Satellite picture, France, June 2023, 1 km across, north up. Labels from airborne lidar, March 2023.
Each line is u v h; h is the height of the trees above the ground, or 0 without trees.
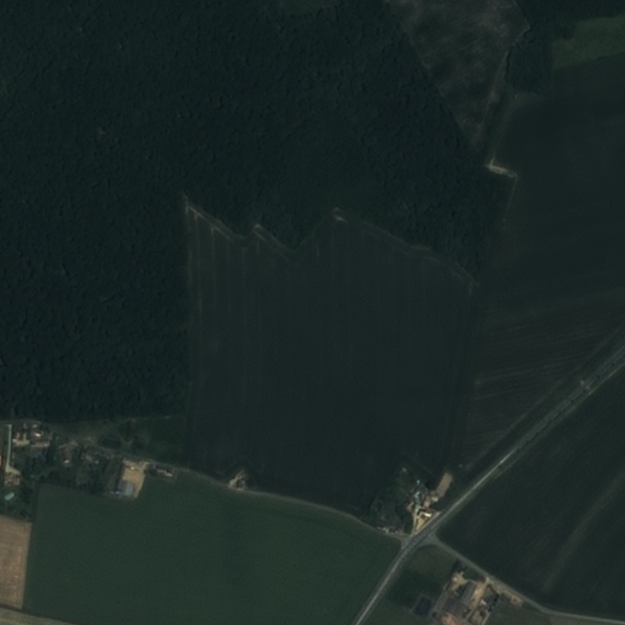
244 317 0
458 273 0
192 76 25
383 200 14
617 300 0
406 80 23
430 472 0
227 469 0
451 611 0
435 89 24
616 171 0
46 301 26
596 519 0
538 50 21
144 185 25
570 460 0
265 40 24
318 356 0
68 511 0
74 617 0
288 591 0
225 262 0
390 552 0
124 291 27
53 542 0
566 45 0
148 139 24
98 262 23
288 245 11
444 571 0
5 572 0
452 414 0
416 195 19
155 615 0
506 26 0
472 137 0
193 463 0
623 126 0
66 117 23
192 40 23
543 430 9
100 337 18
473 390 0
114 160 24
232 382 0
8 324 25
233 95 23
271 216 21
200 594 0
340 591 0
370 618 0
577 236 0
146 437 0
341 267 0
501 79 0
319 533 0
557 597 0
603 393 0
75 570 0
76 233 23
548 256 0
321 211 13
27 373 28
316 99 23
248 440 0
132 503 0
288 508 0
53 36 19
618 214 0
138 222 23
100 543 0
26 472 6
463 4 0
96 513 0
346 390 0
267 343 0
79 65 25
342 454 0
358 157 12
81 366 22
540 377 0
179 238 23
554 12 14
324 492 0
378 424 0
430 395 0
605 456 0
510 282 0
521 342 0
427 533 0
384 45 22
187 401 14
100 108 25
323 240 0
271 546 0
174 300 26
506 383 0
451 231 22
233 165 25
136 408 23
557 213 0
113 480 0
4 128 20
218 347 0
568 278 0
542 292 0
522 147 0
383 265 0
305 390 0
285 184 15
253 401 0
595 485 0
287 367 0
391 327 0
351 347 0
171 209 21
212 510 0
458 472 0
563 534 0
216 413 0
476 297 0
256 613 0
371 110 24
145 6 23
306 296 0
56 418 21
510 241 0
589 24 0
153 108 22
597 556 0
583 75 0
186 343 18
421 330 0
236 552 0
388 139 22
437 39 0
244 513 0
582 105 0
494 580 0
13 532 0
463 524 0
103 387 24
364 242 0
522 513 0
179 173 25
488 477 0
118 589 0
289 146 11
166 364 26
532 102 0
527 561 0
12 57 15
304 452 0
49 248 24
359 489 0
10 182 25
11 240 24
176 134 23
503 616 0
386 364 0
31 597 0
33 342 26
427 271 0
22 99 17
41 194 23
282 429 0
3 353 26
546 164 0
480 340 0
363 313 0
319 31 24
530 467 0
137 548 0
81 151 25
